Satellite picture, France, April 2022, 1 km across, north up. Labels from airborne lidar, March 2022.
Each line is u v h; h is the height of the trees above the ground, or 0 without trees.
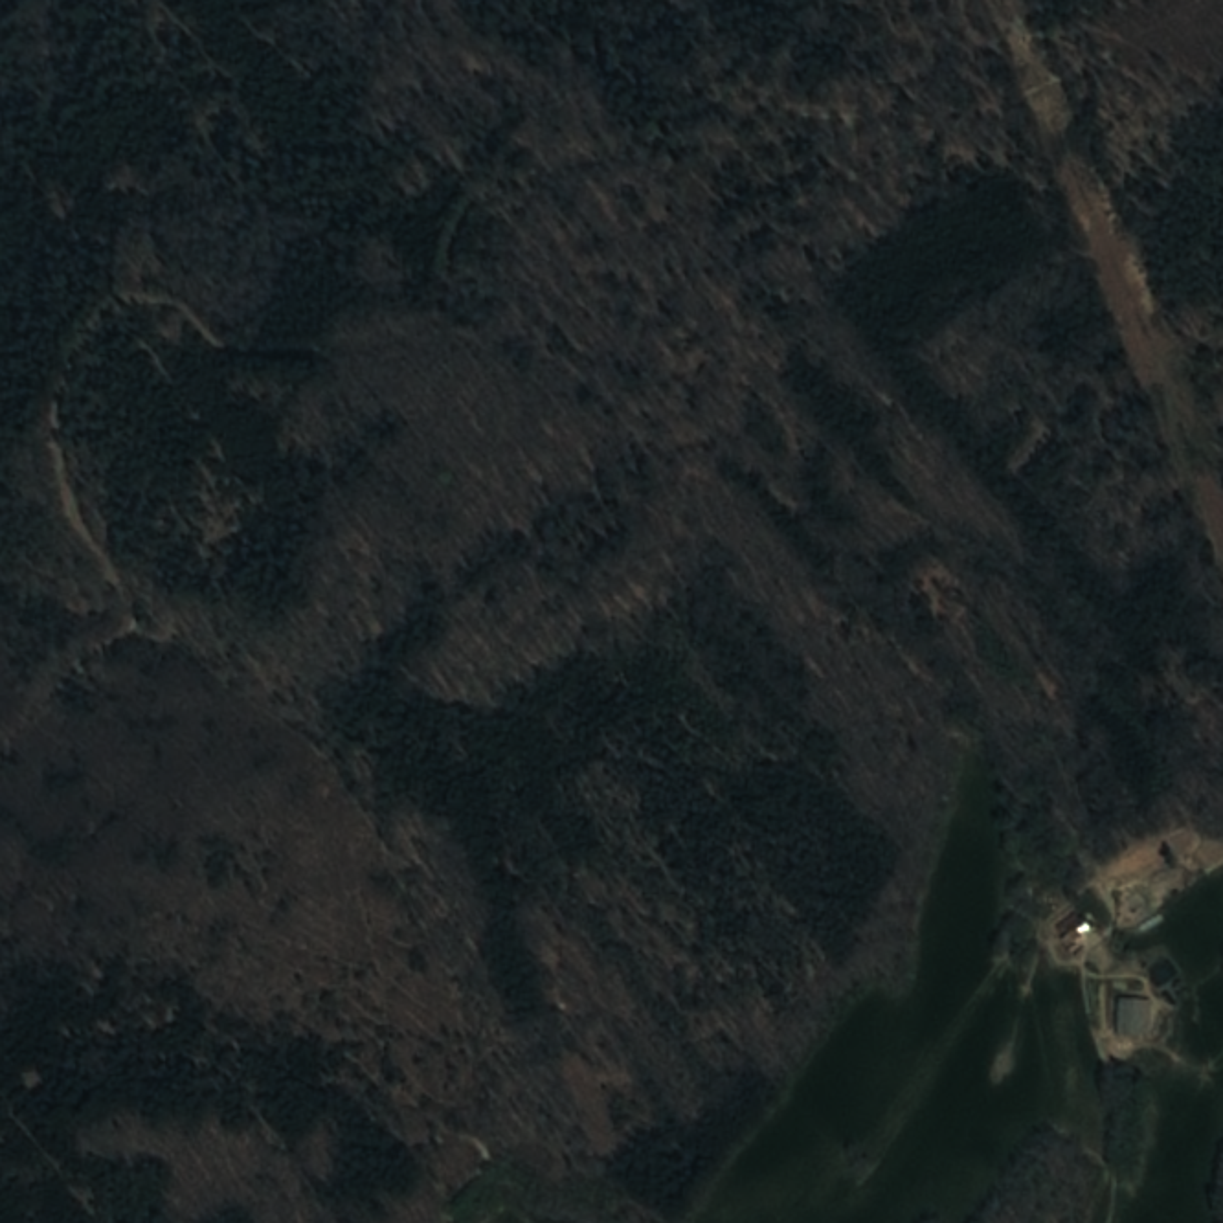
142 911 11
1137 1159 22
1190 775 30
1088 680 26
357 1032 11
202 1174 23
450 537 22
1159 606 26
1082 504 23
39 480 22
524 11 29
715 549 30
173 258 32
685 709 14
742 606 28
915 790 32
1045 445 0
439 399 22
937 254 24
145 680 11
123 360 8
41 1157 9
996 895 0
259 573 27
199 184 18
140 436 9
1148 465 14
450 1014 9
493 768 21
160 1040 13
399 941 8
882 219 25
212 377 9
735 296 26
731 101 15
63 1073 9
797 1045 28
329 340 28
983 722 25
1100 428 30
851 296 24
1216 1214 19
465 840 22
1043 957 14
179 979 12
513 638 23
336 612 24
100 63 25
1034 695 28
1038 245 22
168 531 27
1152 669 9
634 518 25
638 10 20
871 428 14
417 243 11
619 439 23
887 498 26
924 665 34
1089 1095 0
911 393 28
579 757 19
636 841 24
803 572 25
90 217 9
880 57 10
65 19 17
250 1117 23
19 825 9
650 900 22
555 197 25
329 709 21
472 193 18
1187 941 0
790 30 27
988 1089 0
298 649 24
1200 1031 0
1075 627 23
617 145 24
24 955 12
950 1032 0
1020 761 28
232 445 12
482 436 21
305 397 17
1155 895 0
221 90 12
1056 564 24
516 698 27
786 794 24
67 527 25
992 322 24
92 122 16
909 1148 0
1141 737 19
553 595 25
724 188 18
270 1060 9
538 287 26
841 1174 0
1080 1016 0
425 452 24
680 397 29
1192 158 20
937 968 0
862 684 30
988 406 24
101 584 23
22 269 10
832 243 29
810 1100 0
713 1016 16
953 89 24
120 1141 21
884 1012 0
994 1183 0
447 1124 11
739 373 27
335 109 11
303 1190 26
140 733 12
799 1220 0
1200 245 24
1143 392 15
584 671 31
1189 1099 0
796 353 27
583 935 21
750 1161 0
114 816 8
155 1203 8
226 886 10
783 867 26
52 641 15
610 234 28
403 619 21
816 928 22
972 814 0
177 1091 27
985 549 27
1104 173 19
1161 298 16
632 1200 17
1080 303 26
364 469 29
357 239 28
